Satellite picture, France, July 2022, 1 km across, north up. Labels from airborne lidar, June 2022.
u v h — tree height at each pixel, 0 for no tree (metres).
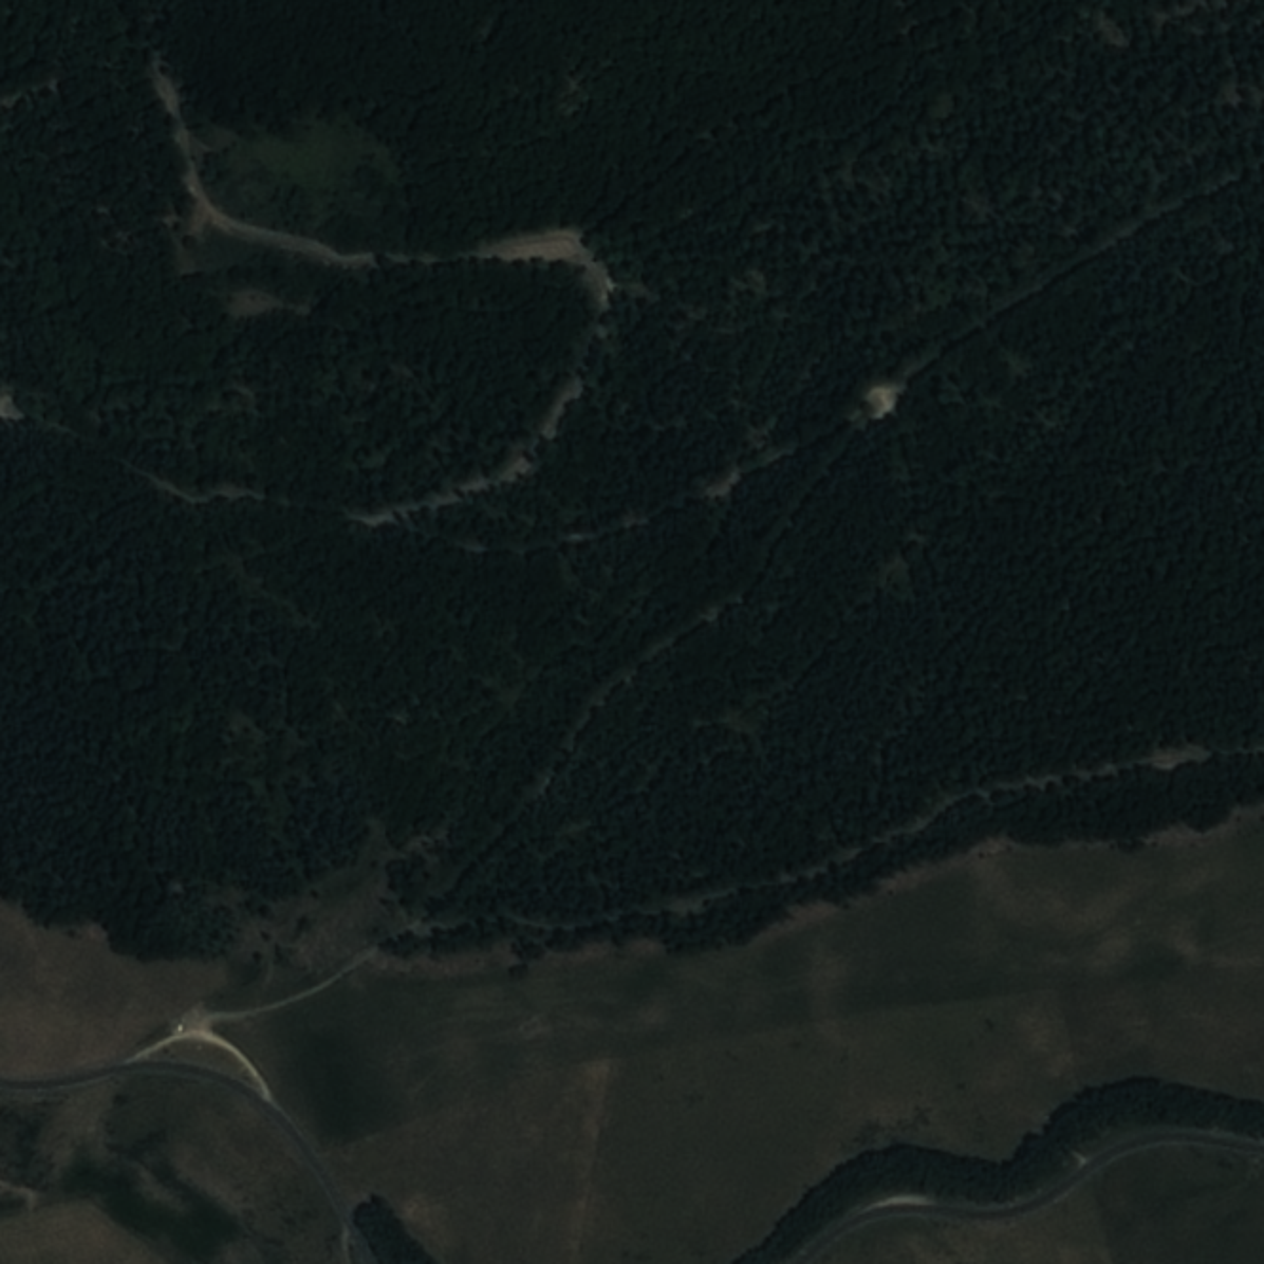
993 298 6
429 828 8
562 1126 0
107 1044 0
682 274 9
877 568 14
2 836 13
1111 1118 16
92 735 22
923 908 0
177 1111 0
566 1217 0
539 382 16
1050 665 13
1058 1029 0
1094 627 11
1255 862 0
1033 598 16
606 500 13
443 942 18
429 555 18
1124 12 8
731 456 9
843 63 22
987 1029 0
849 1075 0
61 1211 0
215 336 14
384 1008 0
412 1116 0
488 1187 0
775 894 11
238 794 13
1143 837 16
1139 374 21
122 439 15
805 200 15
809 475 18
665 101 17
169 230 17
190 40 20
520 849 8
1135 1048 0
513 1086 0
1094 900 0
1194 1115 19
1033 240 21
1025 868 0
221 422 12
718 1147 0
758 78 20
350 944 0
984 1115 0
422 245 16
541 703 10
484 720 6
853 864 9
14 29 18
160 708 15
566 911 14
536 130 13
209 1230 0
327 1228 0
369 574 15
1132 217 9
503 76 18
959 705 12
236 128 16
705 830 15
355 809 18
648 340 12
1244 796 15
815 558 8
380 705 13
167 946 17
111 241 16
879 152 17
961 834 13
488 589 7
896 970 0
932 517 16
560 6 18
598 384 7
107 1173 0
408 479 10
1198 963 0
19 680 13
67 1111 0
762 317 7
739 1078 0
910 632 15
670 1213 0
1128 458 11
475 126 7
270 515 14
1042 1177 15
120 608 19
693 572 12
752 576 12
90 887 18
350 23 19
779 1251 13
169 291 17
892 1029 0
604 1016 0
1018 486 17
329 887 0
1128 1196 0
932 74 14
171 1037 0
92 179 22
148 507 16
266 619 14
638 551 18
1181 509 18
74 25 13
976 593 13
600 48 16
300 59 15
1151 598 14
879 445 17
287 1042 0
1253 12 17
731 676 5
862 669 14
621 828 10
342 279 10
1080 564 14
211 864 10
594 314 10
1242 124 21
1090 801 15
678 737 11
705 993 0
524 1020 0
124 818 18
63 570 24
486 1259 0
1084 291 8
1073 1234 0
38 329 16
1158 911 0
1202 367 13
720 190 14
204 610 8
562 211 10
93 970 0
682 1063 0
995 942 0
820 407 16
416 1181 0
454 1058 0
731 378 12
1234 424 15
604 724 11
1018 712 14
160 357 17
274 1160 0
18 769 17
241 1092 0
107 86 19
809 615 13
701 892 10
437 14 18
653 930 19
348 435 14
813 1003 0
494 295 18
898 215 8
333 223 7
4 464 20
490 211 18
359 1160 0
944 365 9
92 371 18
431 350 16
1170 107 18
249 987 0
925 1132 0
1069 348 7
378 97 19
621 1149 0
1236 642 11
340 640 12
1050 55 11
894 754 15
